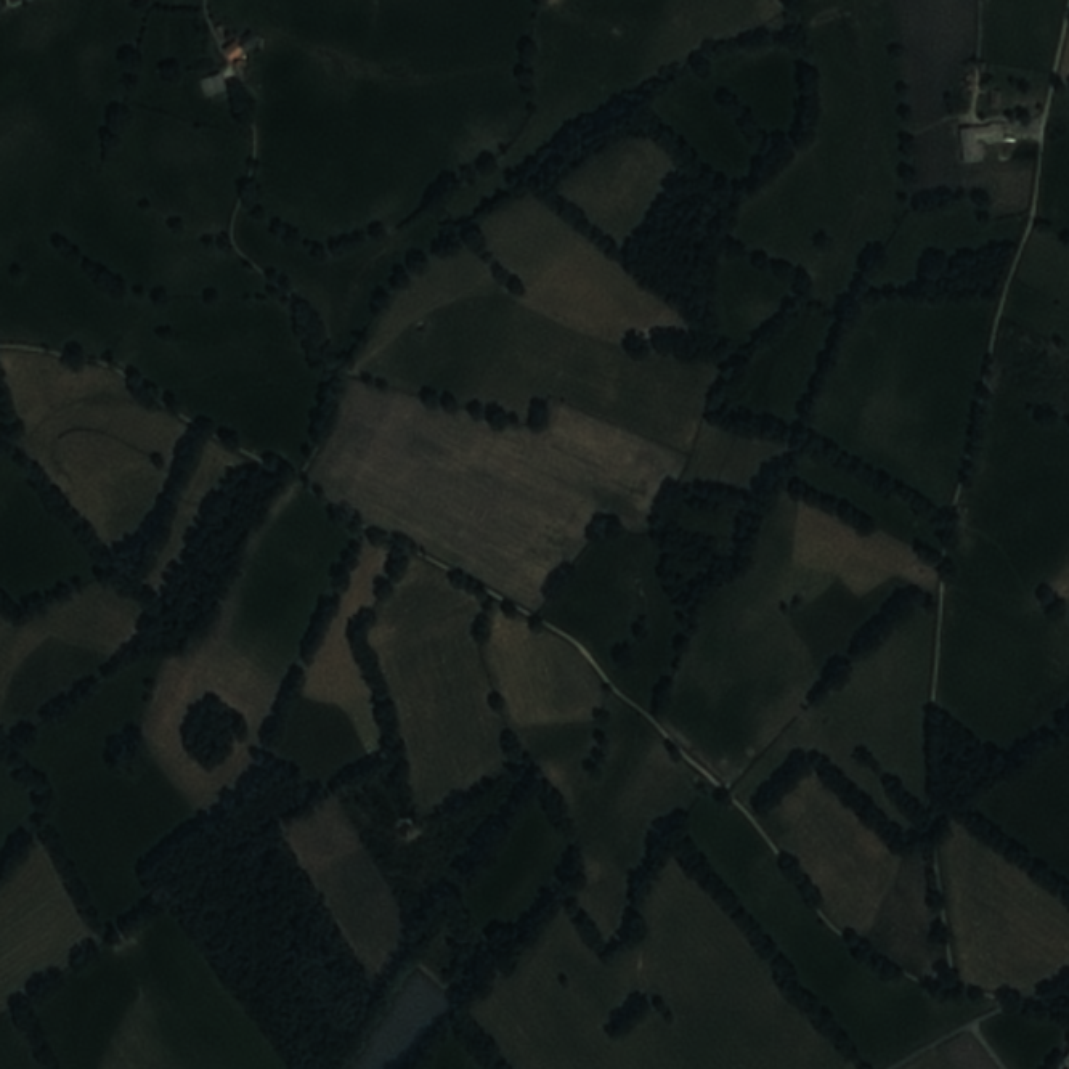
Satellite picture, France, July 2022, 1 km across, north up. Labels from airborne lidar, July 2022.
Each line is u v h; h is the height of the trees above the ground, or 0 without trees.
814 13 0
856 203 0
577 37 0
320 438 17
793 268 11
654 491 0
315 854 0
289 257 0
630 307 0
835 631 0
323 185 0
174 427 0
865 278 15
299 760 0
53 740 0
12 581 0
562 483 0
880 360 0
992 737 0
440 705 0
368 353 0
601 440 0
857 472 16
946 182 0
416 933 25
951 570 17
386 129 0
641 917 17
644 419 0
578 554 0
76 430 0
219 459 0
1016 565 0
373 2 0
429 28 0
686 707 0
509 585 0
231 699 0
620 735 0
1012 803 0
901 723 0
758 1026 0
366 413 0
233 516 16
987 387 18
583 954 0
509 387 0
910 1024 0
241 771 0
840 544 0
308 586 0
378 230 16
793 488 17
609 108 12
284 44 0
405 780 23
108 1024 0
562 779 0
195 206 0
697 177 21
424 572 0
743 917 18
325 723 0
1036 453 0
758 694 0
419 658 0
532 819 0
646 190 0
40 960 0
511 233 0
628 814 0
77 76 0
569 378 0
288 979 25
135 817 0
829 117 0
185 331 0
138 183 0
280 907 27
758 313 0
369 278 0
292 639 0
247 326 0
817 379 12
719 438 0
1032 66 0
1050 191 0
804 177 0
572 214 17
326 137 0
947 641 0
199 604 18
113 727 0
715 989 0
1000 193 0
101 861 0
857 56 0
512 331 0
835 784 22
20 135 0
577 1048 0
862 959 15
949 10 0
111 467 0
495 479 0
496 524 0
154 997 0
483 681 0
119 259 0
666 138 21
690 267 25
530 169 16
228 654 0
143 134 0
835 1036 14
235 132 0
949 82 0
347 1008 30
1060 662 0
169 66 15
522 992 0
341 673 0
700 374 0
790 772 18
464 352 0
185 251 0
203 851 25
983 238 0
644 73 0
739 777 0
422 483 0
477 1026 15
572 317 0
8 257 0
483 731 0
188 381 0
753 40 17
